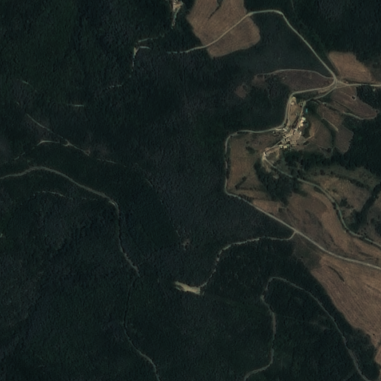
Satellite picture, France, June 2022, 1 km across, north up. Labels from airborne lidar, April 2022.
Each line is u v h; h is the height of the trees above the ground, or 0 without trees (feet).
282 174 33
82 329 31
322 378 42
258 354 22
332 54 0
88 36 44
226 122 32
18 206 28
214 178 40
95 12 32
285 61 0
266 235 32
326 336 35
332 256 0
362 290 0
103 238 53
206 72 25
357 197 0
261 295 39
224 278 38
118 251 47
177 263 45
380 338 0
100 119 40
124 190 37
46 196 48
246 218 30
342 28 25
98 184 30
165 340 29
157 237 21
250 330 27
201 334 38
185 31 34
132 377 28
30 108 22
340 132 0
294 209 0
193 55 19
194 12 0
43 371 44
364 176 0
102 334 28
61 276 48
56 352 39
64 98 41
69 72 57
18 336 72
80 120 36
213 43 0
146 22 26
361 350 31
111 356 30
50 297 47
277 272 33
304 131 0
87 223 40
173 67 43
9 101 36
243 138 0
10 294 47
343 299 0
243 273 41
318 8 23
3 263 50
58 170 22
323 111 0
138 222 72
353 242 0
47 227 56
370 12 34
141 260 37
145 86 29
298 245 0
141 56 33
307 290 44
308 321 33
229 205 37
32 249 61
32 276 43
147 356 28
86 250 50
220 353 39
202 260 35
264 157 0
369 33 34
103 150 0
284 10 20
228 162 31
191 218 42
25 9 51
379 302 0
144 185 40
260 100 21
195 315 39
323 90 0
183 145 37
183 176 38
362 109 0
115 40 32
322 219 0
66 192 28
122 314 42
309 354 47
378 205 0
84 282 59
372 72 0
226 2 0
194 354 31
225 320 31
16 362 38
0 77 38
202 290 21
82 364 34
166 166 36
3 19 49
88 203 34
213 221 34
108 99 21
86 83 46
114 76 65
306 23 20
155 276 18
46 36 46
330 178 0
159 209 45
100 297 60
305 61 0
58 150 25
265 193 0
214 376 37
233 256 47
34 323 50
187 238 22
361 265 0
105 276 42
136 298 50
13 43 53
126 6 40
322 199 0
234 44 0
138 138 22
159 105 33
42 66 49
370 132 49
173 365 35
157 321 36
